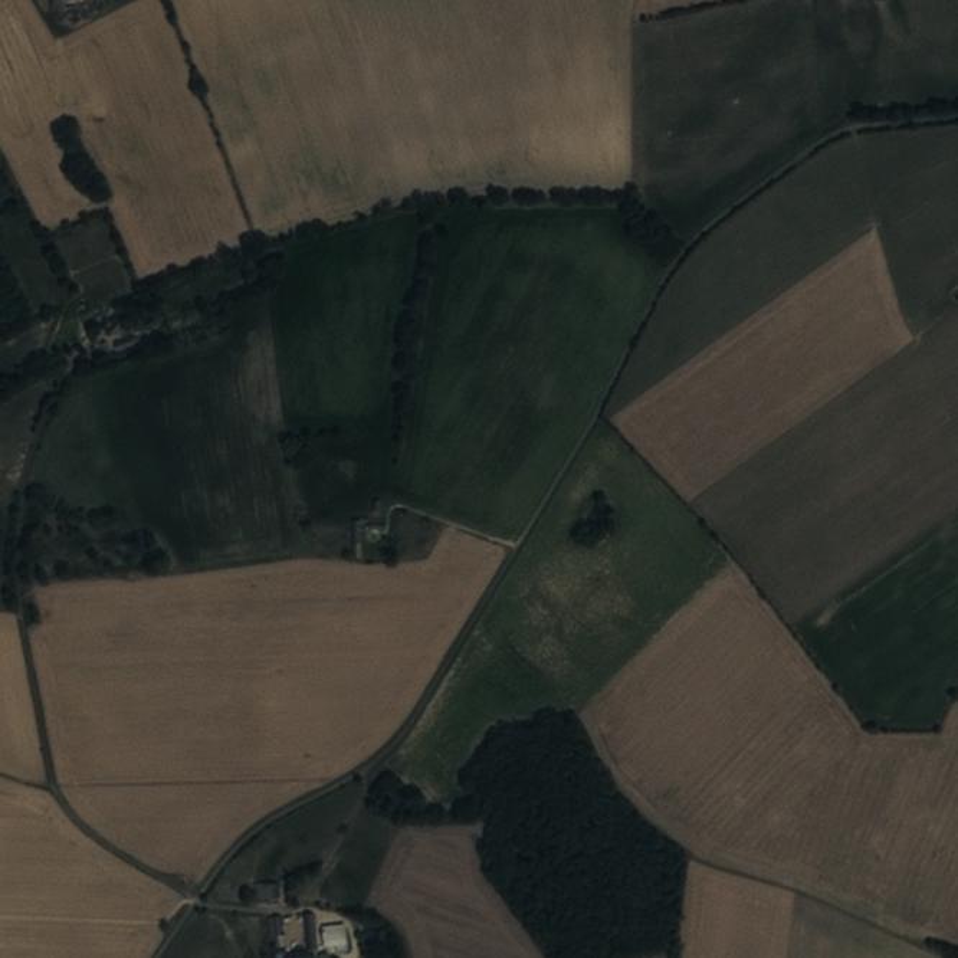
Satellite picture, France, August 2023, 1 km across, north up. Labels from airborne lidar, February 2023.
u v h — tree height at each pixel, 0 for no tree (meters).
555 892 13
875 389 0
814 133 0
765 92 0
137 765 0
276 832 0
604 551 0
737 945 0
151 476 0
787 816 0
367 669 0
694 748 0
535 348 0
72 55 0
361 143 0
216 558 0
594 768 18
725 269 0
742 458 0
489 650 0
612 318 0
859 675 0
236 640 0
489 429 0
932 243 0
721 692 0
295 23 0
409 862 0
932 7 0
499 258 0
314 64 0
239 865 0
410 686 0
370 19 0
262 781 0
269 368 0
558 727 23
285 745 0
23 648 0
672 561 0
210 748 0
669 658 0
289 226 0
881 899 0
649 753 0
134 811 0
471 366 0
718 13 0
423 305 11
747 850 0
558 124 0
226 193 0
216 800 0
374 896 0
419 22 0
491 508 0
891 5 0
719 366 0
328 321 0
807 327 0
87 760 0
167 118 0
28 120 0
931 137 0
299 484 0
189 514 0
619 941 20
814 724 0
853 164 0
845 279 0
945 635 0
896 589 0
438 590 0
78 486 0
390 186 0
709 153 0
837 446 0
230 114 0
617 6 0
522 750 22
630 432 0
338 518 0
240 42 0
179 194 0
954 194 0
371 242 0
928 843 0
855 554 0
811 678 0
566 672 0
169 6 9
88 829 0
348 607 0
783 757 0
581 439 0
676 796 0
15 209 14
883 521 0
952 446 0
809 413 0
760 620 0
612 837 24
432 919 0
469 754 0
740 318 0
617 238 0
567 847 21
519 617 0
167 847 0
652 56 0
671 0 0
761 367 0
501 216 0
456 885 0
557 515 0
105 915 0
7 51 0
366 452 0
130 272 7
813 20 0
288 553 0
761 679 0
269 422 0
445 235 20
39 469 0
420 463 0
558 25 0
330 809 0
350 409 0
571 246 0
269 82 0
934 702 0
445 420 0
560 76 0
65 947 0
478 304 0
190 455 0
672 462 0
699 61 0
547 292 0
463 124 0
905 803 0
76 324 0
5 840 0
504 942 0
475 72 0
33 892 0
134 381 0
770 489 0
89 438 0
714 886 0
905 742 0
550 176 0
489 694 0
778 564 0
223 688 0
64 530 10
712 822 0
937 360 0
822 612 0
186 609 0
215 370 0
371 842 0
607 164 0
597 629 0
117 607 0
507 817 21
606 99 0
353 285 0
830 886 0
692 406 0
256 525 0
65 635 0
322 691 0
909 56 0
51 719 0
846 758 0
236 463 0
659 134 0
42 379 12
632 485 0
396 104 0
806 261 0
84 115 0
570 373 0
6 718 0
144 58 0
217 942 0
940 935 0
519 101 0
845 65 0
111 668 0
